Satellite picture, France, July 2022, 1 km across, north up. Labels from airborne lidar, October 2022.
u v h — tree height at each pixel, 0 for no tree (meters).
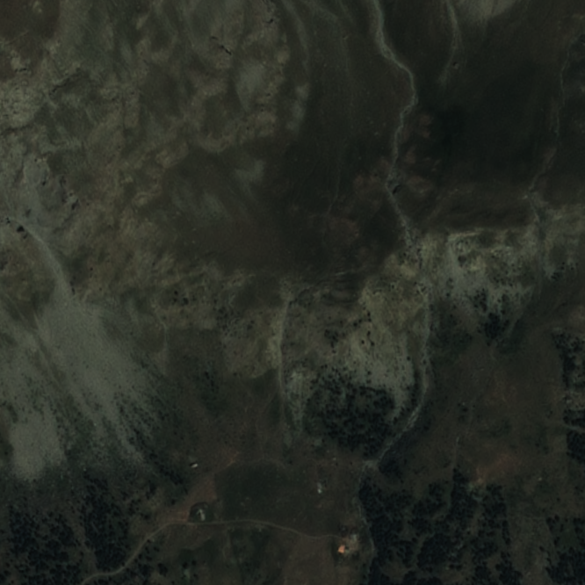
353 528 0
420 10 0
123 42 0
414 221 0
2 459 0
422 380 0
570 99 0
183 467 0
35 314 0
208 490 0
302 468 0
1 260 0
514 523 0
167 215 0
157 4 0
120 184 0
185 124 0
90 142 0
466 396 0
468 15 0
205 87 0
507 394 0
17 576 0
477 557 8
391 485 0
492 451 0
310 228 0
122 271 0
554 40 0
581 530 12
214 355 0
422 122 0
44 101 0
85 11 0
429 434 0
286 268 0
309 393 0
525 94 0
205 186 0
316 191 0
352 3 0
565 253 0
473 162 0
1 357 0
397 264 0
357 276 0
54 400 0
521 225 0
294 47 0
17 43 0
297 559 0
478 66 0
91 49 0
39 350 0
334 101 0
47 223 0
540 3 0
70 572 9
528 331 0
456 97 0
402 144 0
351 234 0
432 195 0
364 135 0
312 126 0
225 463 0
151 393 0
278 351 0
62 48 0
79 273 0
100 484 6
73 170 0
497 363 0
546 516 0
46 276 0
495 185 0
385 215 0
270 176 0
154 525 0
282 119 0
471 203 0
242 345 0
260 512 0
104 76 0
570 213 0
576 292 0
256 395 0
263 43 0
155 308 0
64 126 0
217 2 0
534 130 0
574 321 0
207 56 0
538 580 0
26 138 0
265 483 0
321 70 0
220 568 0
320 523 0
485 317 0
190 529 0
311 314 0
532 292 0
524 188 0
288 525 0
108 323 0
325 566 0
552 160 0
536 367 0
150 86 0
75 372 0
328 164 0
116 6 0
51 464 0
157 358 0
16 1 0
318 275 0
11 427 0
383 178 0
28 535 11
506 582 14
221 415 0
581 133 0
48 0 0
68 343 0
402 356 0
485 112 0
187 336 0
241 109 0
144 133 0
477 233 0
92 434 0
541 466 0
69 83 0
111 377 0
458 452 0
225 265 0
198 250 0
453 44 0
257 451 0
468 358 0
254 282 0
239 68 0
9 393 0
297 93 0
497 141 0
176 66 0
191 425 0
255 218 0
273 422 0
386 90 0
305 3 0
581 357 0
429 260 0
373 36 0
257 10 0
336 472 0
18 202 0
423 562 10
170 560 0
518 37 0
